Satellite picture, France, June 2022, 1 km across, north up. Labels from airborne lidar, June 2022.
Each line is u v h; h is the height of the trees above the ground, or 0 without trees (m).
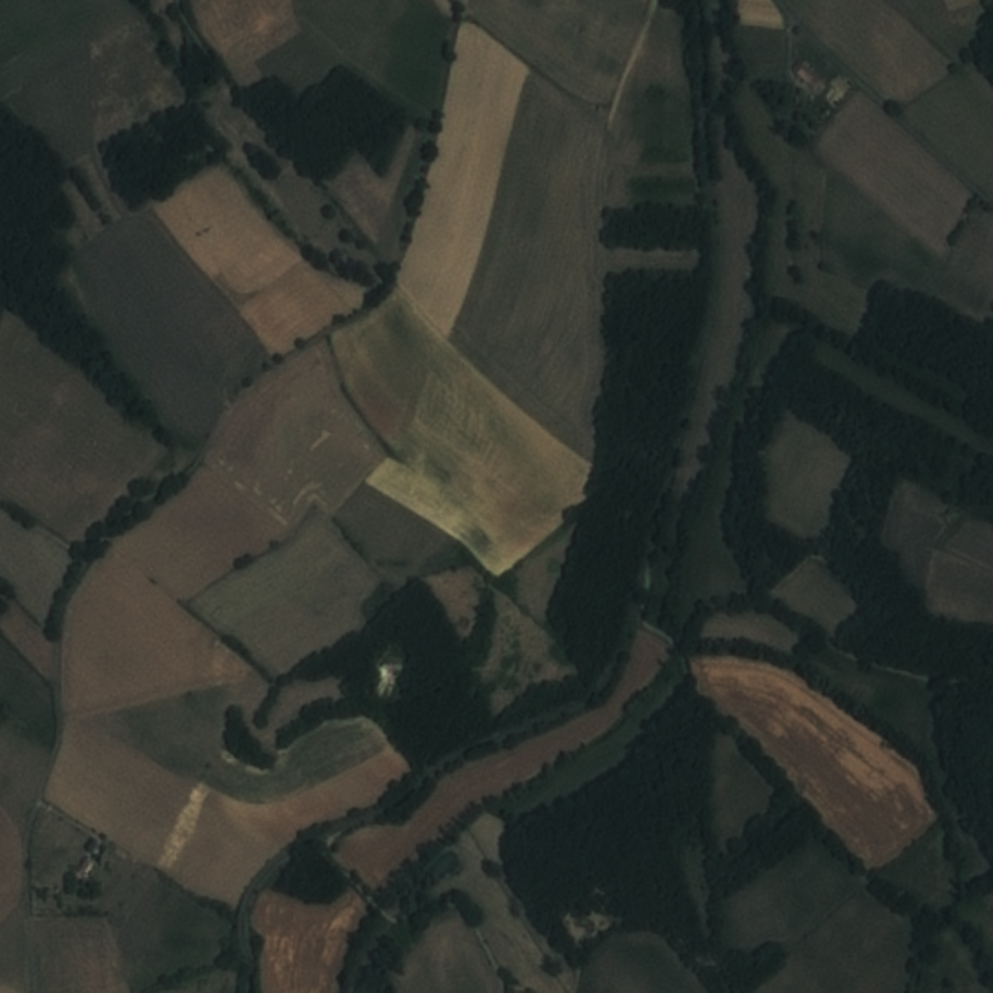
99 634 0
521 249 0
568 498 0
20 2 0
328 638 0
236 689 0
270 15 0
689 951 12
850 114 0
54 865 0
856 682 0
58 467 0
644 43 0
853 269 0
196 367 0
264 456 0
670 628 11
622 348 16
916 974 14
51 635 12
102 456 0
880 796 0
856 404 19
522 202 0
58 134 0
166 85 0
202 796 0
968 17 0
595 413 8
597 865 23
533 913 16
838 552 19
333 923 0
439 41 0
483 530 0
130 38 0
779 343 0
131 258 0
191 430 0
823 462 0
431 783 13
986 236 0
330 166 16
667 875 15
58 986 0
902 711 0
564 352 0
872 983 0
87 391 0
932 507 0
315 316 0
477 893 0
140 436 0
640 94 0
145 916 0
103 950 0
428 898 12
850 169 0
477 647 9
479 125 0
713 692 0
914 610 15
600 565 20
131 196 17
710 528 0
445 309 0
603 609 18
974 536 0
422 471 0
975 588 0
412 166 0
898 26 0
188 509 0
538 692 15
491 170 0
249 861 0
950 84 0
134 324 0
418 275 0
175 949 0
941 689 19
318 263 30
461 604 0
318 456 0
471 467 0
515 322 0
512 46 0
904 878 0
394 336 0
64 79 0
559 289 0
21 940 0
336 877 21
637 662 0
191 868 0
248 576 0
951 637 11
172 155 20
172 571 0
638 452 21
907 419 20
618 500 20
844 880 0
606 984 0
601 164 0
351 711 11
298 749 0
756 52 0
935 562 0
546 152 0
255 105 14
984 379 14
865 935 0
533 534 0
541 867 18
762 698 0
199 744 0
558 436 0
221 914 10
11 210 21
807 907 0
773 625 0
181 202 0
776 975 14
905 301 15
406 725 15
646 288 22
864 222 0
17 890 0
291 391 0
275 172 18
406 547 0
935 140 0
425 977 0
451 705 17
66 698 0
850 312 0
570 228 0
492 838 0
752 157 13
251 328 0
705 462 27
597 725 0
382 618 13
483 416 0
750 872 14
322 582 0
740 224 0
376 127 12
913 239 0
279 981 0
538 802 0
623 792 23
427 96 0
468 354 0
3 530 0
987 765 21
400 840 0
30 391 0
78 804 0
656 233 23
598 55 0
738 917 0
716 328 0
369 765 0
